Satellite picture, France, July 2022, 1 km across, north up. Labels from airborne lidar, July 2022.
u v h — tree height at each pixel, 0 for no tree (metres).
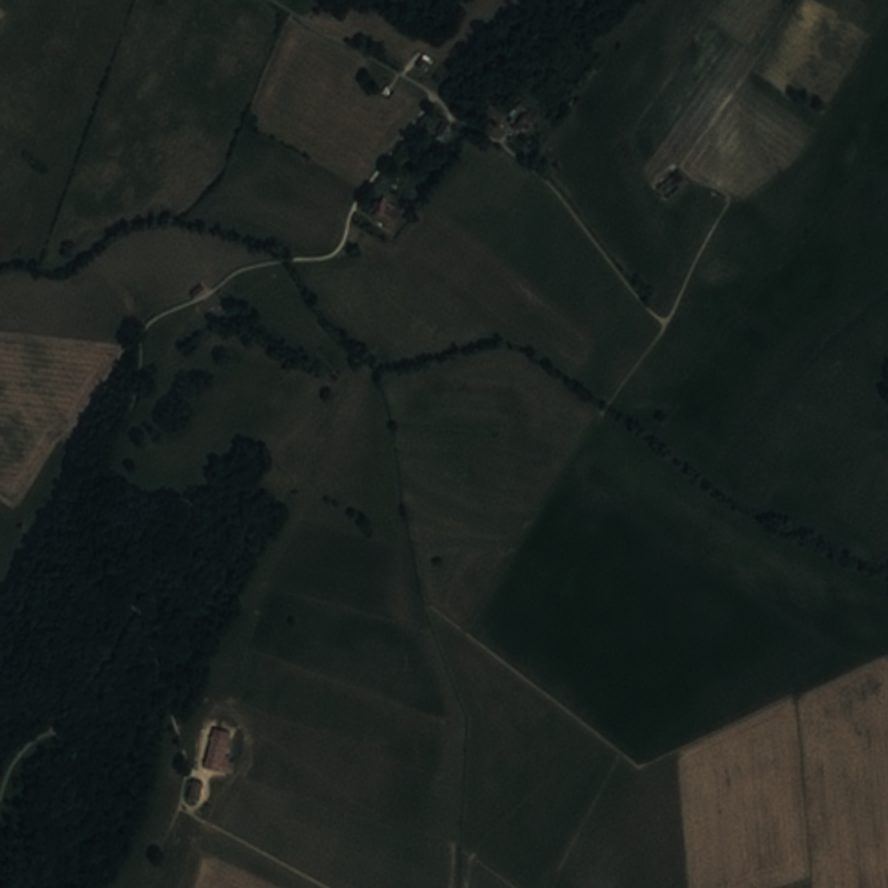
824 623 0
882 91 0
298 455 0
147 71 0
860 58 0
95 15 0
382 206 0
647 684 0
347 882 0
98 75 0
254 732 0
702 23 0
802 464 0
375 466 0
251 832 0
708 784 0
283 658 0
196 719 0
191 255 0
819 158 0
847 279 0
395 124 0
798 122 0
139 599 20
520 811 0
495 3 0
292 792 0
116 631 16
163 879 0
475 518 0
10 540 0
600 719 0
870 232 0
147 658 21
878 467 0
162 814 0
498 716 0
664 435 0
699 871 0
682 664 0
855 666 0
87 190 0
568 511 0
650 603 0
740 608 0
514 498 0
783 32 0
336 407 0
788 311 0
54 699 17
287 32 0
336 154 0
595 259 0
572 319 0
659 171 0
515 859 0
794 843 0
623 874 0
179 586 21
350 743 0
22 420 0
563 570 0
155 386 17
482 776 0
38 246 0
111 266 0
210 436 0
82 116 0
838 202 0
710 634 0
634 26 0
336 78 0
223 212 0
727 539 0
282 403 0
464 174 0
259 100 0
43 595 20
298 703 0
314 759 0
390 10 20
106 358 0
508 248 0
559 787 0
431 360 13
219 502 21
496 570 0
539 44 17
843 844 0
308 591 0
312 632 0
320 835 0
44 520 21
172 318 0
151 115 0
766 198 0
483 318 0
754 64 0
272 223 0
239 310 11
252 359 0
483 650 0
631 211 0
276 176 0
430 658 0
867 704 0
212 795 0
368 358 12
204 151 0
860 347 0
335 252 0
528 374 0
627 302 0
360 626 0
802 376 0
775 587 0
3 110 0
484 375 0
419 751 0
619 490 0
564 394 0
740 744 0
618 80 0
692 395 0
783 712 0
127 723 24
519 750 0
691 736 0
